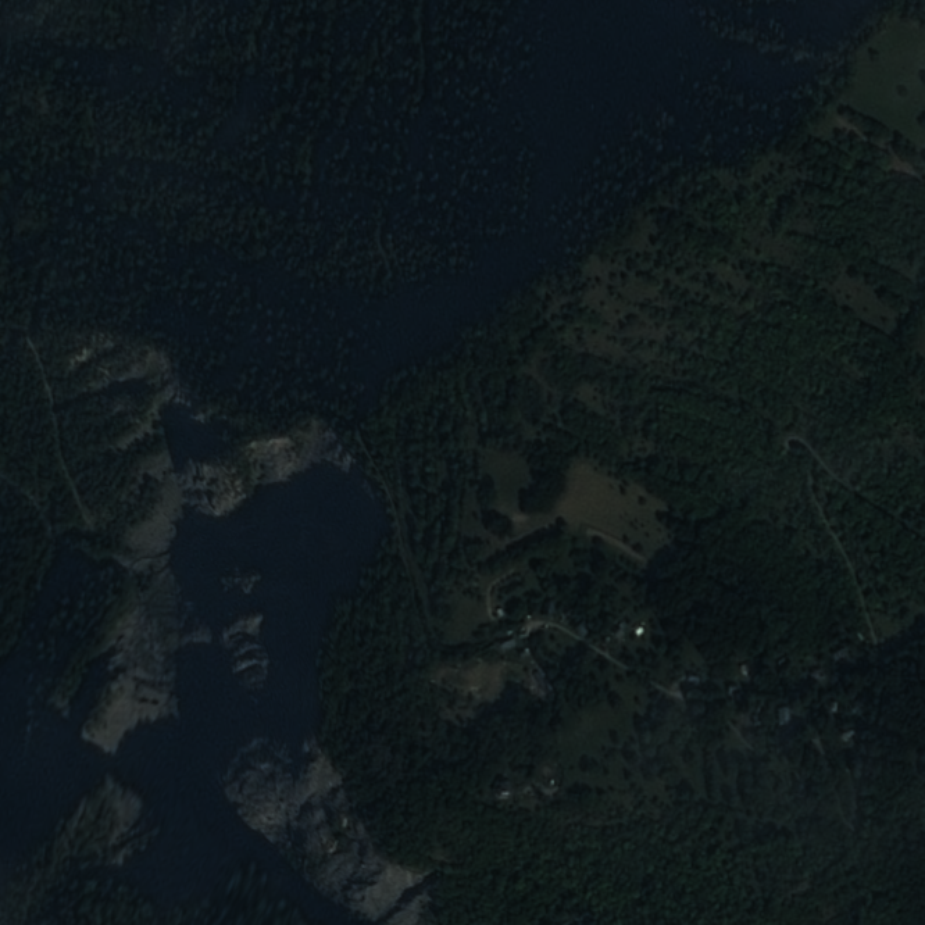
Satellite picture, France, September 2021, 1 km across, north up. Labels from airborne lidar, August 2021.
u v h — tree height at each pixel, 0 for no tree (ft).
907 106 0
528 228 56
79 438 33
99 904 64
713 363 24
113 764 0
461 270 52
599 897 55
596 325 19
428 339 44
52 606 33
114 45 54
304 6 31
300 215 72
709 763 32
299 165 43
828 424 39
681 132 81
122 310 65
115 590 28
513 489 0
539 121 43
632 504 0
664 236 39
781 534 29
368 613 60
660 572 67
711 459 45
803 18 25
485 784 74
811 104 41
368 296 64
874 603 52
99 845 32
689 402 61
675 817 36
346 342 53
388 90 29
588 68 27
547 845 41
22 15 68
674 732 75
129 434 35
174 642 0
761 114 41
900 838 38
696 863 61
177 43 68
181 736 0
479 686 0
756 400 58
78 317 64
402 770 63
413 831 69
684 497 58
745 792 65
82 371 34
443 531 43
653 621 19
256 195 65
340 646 57
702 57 48
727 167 35
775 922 35
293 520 0
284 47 51
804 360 35
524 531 0
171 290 65
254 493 20
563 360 36
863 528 40
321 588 0
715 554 58
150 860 0
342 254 42
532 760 84
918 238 36
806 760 71
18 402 47
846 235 48
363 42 57
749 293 29
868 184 44
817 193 57
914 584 33
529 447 28
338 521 0
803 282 43
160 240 118
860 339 25
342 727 37
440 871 52
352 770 69
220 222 72
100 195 27
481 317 46
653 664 24
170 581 0
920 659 80
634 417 46
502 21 39
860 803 47
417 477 37
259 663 0
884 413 56
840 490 43
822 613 72
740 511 67
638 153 52
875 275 46
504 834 36
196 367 43
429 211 66
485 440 38
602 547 36
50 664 30
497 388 41
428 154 85
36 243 36
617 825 20
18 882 72
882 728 24
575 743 0
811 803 57
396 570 41
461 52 51
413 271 49
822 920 57
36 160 39
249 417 49
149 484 51
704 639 96
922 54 0
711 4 53
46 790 0
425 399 72
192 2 91
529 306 58
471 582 37
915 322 67
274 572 0
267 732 0
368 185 68
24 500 60
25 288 55
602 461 29
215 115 50
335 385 58
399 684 38
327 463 0
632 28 60
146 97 80
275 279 44
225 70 64
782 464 63
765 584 75
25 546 75
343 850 29
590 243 31
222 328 48
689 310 42
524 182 91
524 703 86
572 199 49
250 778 0
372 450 50
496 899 53
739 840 48
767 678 61
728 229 41
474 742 70
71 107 48
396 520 22
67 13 62
